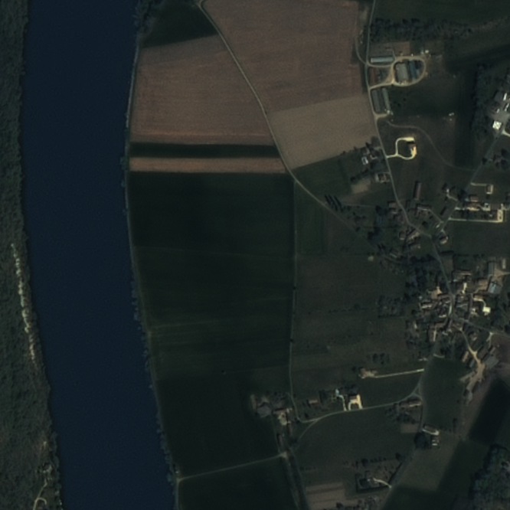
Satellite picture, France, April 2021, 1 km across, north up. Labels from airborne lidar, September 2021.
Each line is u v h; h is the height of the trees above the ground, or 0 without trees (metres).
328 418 0
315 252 0
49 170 0
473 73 0
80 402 0
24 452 13
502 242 0
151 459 0
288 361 0
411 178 0
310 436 0
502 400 0
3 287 11
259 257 0
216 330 0
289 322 0
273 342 0
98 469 0
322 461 0
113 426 0
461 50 0
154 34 0
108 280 0
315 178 0
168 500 0
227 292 0
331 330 0
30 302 9
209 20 0
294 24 0
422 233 0
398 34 19
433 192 0
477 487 23
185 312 0
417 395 0
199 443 0
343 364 0
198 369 0
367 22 0
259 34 0
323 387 0
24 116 0
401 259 9
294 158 0
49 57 0
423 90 0
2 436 15
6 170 15
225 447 0
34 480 12
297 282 0
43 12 0
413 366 0
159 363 0
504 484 18
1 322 23
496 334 0
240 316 0
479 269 0
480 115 15
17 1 10
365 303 0
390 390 0
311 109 0
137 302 12
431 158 0
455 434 8
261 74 0
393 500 0
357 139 0
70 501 0
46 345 0
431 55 0
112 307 0
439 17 0
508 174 0
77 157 0
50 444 8
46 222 0
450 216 0
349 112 0
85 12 0
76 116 0
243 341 0
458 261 7
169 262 0
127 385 0
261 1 0
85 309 0
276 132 0
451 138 0
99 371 0
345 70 0
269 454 0
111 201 0
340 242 0
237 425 0
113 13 0
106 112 0
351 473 0
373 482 8
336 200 0
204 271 0
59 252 0
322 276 0
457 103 0
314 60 0
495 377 0
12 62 14
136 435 0
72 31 0
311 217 0
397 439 0
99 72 0
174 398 0
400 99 0
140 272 0
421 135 0
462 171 0
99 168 0
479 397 0
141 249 0
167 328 0
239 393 0
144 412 0
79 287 0
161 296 0
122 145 0
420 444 13
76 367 0
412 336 10
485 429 0
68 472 0
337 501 0
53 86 0
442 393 0
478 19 0
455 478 0
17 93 13
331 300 0
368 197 0
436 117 0
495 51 0
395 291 0
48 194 0
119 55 0
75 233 0
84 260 0
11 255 14
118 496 0
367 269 0
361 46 0
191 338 0
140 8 19
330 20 0
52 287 0
